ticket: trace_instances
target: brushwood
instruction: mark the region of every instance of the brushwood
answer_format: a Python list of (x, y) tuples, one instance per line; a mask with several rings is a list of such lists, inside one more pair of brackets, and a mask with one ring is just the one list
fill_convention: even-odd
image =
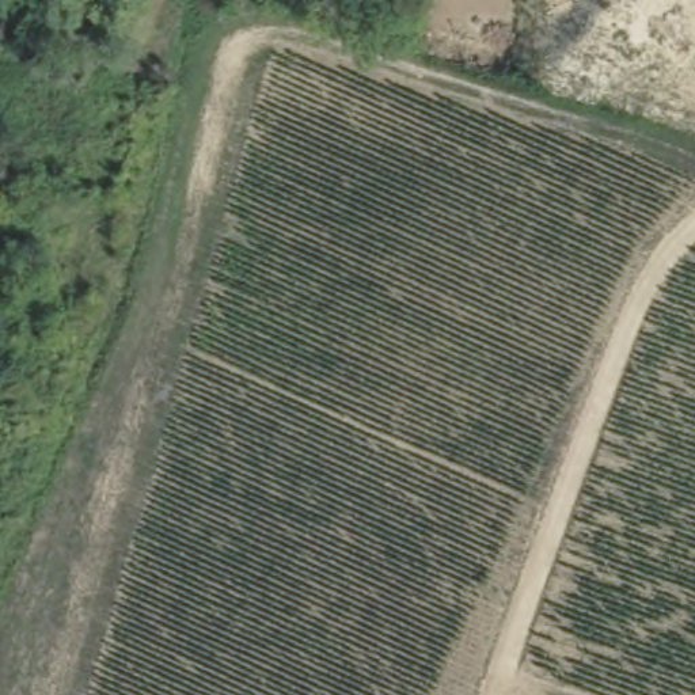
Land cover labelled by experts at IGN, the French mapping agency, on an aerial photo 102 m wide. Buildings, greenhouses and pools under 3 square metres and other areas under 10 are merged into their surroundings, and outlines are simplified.
[(212, 90), (212, 71), (220, 43), (247, 27), (301, 22), (307, 16), (309, 0), (0, 0), (0, 600), (22, 565), (24, 527), (33, 519), (33, 510), (46, 502), (43, 483), (57, 475), (65, 459), (65, 437), (81, 421), (87, 405), (84, 396), (92, 396), (98, 388), (98, 377), (109, 364), (109, 356), (128, 323), (130, 307), (138, 299), (138, 290), (149, 288), (152, 282), (160, 282), (176, 261), (176, 239), (185, 220), (187, 176), (201, 136), (201, 114), (206, 95)]

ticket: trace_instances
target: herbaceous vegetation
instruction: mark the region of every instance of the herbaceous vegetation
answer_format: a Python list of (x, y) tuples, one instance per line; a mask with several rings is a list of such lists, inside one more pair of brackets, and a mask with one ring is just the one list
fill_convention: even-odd
[(195, 258), (201, 239), (201, 209), (214, 182), (214, 166), (225, 136), (223, 122), (228, 100), (236, 95), (244, 62), (252, 52), (263, 46), (290, 49), (326, 65), (367, 71), (369, 79), (396, 81), (429, 98), (451, 98), (478, 111), (502, 114), (527, 128), (554, 128), (567, 133), (570, 138), (605, 144), (624, 155), (646, 155), (649, 160), (657, 157), (665, 160), (671, 174), (695, 179), (695, 95), (679, 92), (676, 84), (657, 81), (652, 76), (654, 71), (662, 71), (668, 65), (665, 54), (654, 54), (654, 62), (638, 71), (622, 71), (619, 81), (605, 87), (595, 84), (586, 76), (576, 76), (573, 71), (562, 71), (559, 62), (546, 62), (535, 49), (535, 35), (529, 30), (516, 30), (508, 49), (486, 65), (470, 65), (464, 57), (432, 54), (426, 52), (424, 33), (429, 27), (429, 14), (434, 11), (432, 0), (394, 0), (399, 14), (394, 24), (372, 30), (367, 35), (356, 35), (345, 46), (331, 33), (304, 27), (301, 22), (247, 27), (220, 43), (212, 71), (212, 90), (206, 95), (201, 114), (201, 136), (187, 176), (185, 220), (176, 239), (176, 261), (160, 282), (152, 282), (149, 288), (138, 290), (138, 299), (130, 307), (128, 323), (109, 356), (109, 364), (98, 377), (98, 388), (92, 396), (84, 396), (87, 405), (81, 421), (65, 437), (65, 459), (57, 475), (43, 483), (46, 502), (33, 510), (33, 519), (24, 527), (22, 565), (0, 600), (0, 695), (65, 695), (68, 684), (73, 681), (76, 662), (90, 627), (90, 619), (84, 614), (84, 597), (98, 595), (114, 543), (114, 532), (109, 527), (119, 494), (125, 491), (125, 481), (133, 472), (133, 451), (138, 448), (141, 421), (147, 413), (147, 377), (155, 367), (176, 369), (182, 345), (190, 342), (190, 326), (176, 326), (176, 315), (182, 309), (182, 299), (190, 280), (190, 263)]

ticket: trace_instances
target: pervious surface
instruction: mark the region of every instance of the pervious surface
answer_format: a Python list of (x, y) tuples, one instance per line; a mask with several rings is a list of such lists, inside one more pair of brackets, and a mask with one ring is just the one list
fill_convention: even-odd
[(695, 0), (432, 0), (434, 11), (429, 14), (429, 27), (424, 33), (426, 52), (432, 54), (464, 57), (470, 65), (486, 65), (508, 49), (516, 30), (529, 30), (535, 35), (535, 49), (546, 62), (559, 62), (562, 71), (573, 71), (576, 76), (586, 76), (595, 84), (605, 87), (619, 81), (622, 71), (638, 71), (654, 62), (654, 54), (665, 54), (668, 65), (662, 71), (654, 71), (652, 76), (657, 81), (676, 84), (679, 92), (695, 95)]
[(570, 519), (584, 472), (589, 467), (592, 448), (614, 402), (614, 391), (624, 372), (633, 342), (641, 331), (641, 320), (657, 299), (660, 288), (665, 285), (671, 269), (695, 244), (695, 209), (673, 231), (662, 236), (662, 242), (652, 250), (646, 266), (638, 271), (638, 280), (633, 282), (630, 299), (619, 315), (611, 342), (597, 364), (592, 388), (578, 402), (581, 410), (573, 421), (570, 443), (562, 451), (562, 462), (554, 470), (554, 486), (548, 494), (546, 516), (538, 527), (532, 551), (524, 562), (519, 592), (510, 605), (510, 619), (500, 638), (489, 676), (481, 684), (481, 695), (548, 695), (548, 684), (554, 679), (532, 662), (532, 654), (524, 649), (529, 619), (543, 595), (548, 567), (565, 535), (565, 524)]

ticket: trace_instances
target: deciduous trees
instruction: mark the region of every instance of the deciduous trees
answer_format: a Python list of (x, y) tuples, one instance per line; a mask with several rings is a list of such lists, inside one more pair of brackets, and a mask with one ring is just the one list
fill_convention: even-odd
[(345, 46), (356, 35), (367, 35), (372, 30), (394, 24), (399, 14), (394, 0), (309, 0), (307, 16), (301, 22), (304, 27), (331, 33)]

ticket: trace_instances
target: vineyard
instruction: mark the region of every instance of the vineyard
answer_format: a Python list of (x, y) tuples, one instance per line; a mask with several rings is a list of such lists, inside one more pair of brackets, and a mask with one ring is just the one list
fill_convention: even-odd
[(562, 462), (562, 451), (570, 443), (573, 421), (581, 410), (578, 402), (592, 388), (597, 364), (611, 342), (619, 315), (630, 299), (633, 282), (638, 280), (638, 271), (646, 266), (652, 250), (662, 242), (662, 236), (673, 231), (695, 209), (695, 179), (671, 174), (665, 160), (657, 157), (649, 160), (646, 155), (624, 155), (605, 144), (570, 138), (567, 133), (554, 128), (527, 128), (502, 114), (478, 111), (451, 98), (429, 98), (396, 81), (369, 79), (367, 71), (326, 65), (290, 49), (263, 46), (252, 52), (244, 62), (236, 95), (228, 100), (223, 122), (225, 136), (214, 166), (214, 182), (201, 209), (201, 239), (195, 258), (190, 263), (190, 280), (182, 299), (182, 309), (176, 315), (176, 326), (190, 326), (190, 342), (182, 345), (176, 369), (155, 367), (147, 377), (147, 413), (141, 421), (138, 448), (133, 451), (133, 472), (125, 481), (125, 491), (119, 494), (109, 527), (114, 532), (114, 543), (98, 595), (84, 597), (84, 614), (90, 619), (90, 627), (76, 662), (73, 681), (68, 684), (65, 695), (481, 695), (481, 684), (489, 676), (500, 638), (510, 619), (510, 605), (519, 592), (524, 562), (532, 551), (538, 527), (546, 516), (548, 494), (554, 486), (554, 470)]
[(592, 448), (589, 467), (584, 472), (570, 519), (565, 524), (565, 535), (548, 567), (543, 595), (529, 619), (524, 649), (532, 654), (532, 662), (554, 679), (548, 684), (548, 695), (695, 695), (695, 244), (671, 269), (665, 285), (660, 288), (657, 299), (641, 320), (641, 331), (633, 342), (624, 372), (614, 391), (614, 402)]

